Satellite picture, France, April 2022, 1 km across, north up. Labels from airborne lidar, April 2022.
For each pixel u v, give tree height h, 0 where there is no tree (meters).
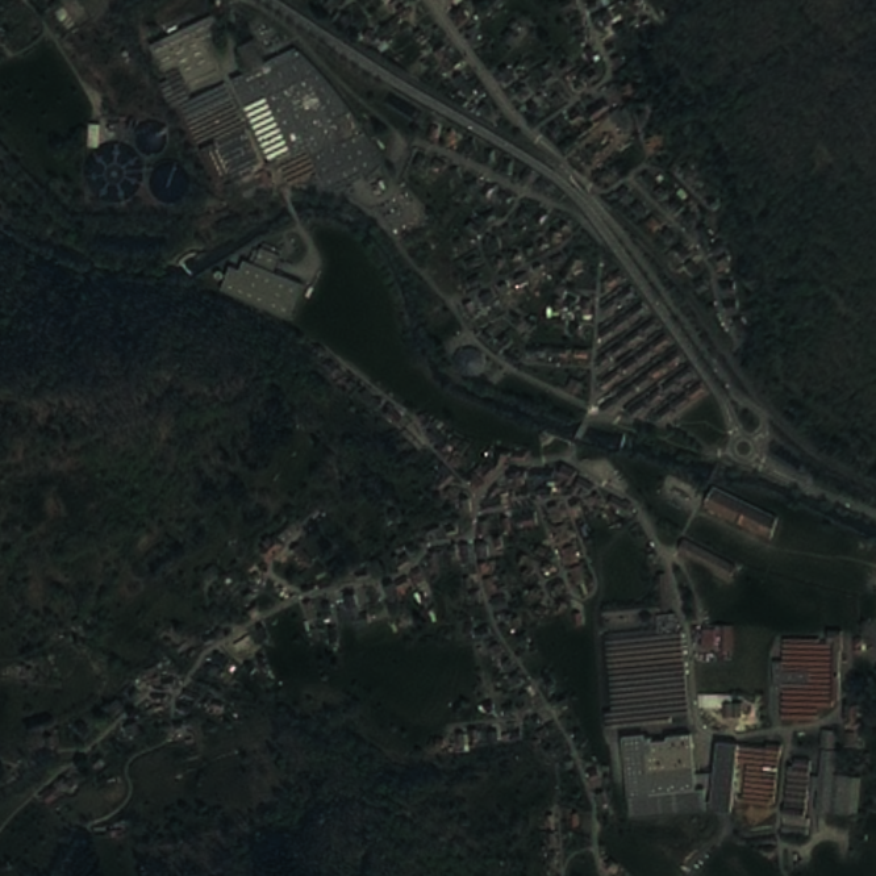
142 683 0
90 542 17
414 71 0
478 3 15
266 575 0
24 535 11
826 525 10
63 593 18
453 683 0
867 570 0
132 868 0
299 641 7
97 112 0
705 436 0
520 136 10
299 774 17
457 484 0
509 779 15
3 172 16
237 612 10
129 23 18
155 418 18
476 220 5
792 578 0
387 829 17
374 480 20
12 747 0
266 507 17
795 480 0
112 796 0
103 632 18
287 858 33
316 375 14
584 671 0
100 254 18
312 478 12
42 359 17
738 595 0
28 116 0
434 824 21
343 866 18
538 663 0
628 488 0
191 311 14
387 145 0
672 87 13
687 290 10
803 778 0
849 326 13
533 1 13
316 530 27
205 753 0
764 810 0
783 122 14
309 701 8
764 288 14
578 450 7
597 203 0
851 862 0
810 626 0
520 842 14
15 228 13
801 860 0
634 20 7
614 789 0
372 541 6
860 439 16
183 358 12
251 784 0
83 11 0
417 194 0
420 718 0
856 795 0
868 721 17
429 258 7
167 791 0
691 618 14
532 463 0
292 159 0
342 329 0
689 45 24
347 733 13
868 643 0
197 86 0
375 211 0
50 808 0
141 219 18
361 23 11
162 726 7
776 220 28
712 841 0
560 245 0
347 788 20
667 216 0
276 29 0
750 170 21
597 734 0
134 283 13
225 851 11
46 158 0
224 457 19
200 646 0
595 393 0
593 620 0
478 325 0
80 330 21
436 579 6
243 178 0
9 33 8
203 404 16
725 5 19
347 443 14
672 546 0
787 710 0
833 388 9
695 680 0
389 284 7
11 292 11
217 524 8
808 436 23
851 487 13
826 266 15
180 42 0
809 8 19
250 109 0
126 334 19
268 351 15
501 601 0
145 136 0
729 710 0
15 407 9
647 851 0
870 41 24
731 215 16
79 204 11
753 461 0
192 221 12
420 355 22
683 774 0
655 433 15
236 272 0
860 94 18
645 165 0
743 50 25
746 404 0
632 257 11
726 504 0
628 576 0
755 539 0
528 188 0
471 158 0
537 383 0
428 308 9
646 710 0
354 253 0
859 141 25
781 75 29
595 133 0
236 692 6
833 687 0
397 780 19
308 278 0
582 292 0
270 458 8
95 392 19
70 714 6
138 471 16
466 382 12
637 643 0
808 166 19
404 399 0
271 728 0
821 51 26
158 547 6
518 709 8
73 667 0
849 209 23
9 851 0
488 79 0
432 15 0
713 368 16
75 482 0
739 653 0
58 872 18
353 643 0
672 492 0
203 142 0
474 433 0
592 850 0
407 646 11
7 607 0
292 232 0
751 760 0
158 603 0
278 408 22
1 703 0
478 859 19
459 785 0
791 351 12
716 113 22
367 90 0
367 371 0
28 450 8
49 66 0
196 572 7
